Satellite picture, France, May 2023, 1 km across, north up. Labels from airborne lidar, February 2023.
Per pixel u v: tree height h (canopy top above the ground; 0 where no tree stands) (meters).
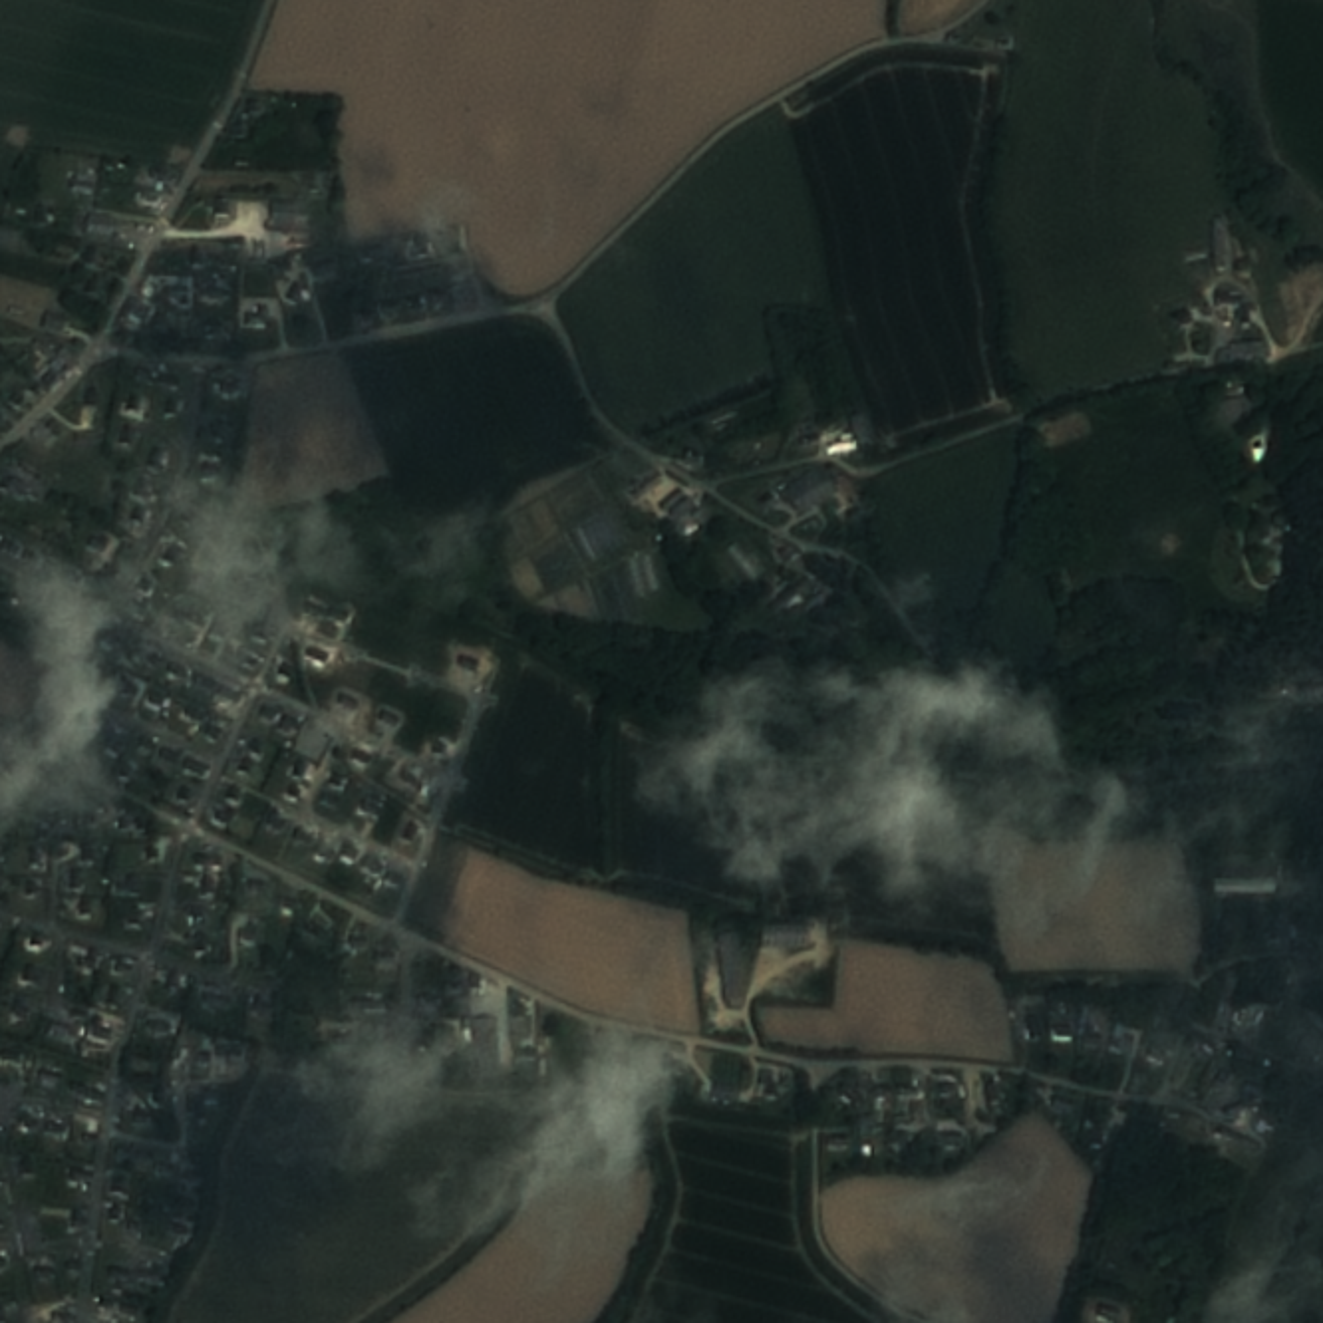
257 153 0
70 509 12
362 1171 0
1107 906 0
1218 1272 13
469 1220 0
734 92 0
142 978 0
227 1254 0
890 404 0
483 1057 0
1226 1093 0
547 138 0
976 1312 0
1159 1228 6
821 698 15
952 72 0
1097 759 10
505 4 0
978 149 0
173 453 0
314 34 0
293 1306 0
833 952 0
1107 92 0
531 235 0
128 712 0
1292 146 0
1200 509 0
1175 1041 0
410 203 0
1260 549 12
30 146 0
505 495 0
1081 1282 15
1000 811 19
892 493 0
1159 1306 0
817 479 0
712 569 0
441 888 0
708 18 0
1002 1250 0
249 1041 7
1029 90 0
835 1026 0
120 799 9
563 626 14
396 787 0
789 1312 0
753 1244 0
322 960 6
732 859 0
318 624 0
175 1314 0
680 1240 0
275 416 0
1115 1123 0
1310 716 6
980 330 0
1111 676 23
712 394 0
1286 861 0
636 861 0
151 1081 7
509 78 0
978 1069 0
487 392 0
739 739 12
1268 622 10
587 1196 0
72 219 0
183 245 0
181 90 0
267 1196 0
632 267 0
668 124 0
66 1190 0
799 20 0
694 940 0
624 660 9
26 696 0
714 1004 0
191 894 0
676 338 0
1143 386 11
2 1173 0
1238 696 17
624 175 0
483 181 0
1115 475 0
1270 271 0
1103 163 0
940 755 19
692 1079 0
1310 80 0
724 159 0
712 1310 0
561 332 0
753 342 0
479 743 0
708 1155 0
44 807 0
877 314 0
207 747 0
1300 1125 0
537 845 0
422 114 0
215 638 0
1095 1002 8
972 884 0
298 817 0
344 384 0
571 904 0
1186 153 0
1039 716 16
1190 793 20
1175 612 16
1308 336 0
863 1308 0
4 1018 0
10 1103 0
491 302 0
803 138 0
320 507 0
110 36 0
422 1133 0
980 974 0
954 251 0
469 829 0
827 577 21
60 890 0
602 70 0
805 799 0
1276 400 11
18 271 0
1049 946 0
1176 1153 14
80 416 0
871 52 0
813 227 0
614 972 0
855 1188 0
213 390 0
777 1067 0
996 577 10
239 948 0
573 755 0
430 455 0
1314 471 27
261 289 0
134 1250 0
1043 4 0
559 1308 0
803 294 0
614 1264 0
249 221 0
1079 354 0
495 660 0
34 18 0
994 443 0
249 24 0
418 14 0
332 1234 0
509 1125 0
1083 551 17
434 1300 0
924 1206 0
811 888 0
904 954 0
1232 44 0
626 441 0
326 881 0
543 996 0
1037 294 0
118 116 0
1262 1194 0
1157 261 0
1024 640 0
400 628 0
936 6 0
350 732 0
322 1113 0
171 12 0
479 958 0
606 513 0
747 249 0
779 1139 0
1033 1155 0
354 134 0
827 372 6
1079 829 15
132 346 16
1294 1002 11
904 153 0
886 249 0
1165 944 0
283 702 0
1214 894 6
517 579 0
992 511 0
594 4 0
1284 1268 10
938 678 7
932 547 0
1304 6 0
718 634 14
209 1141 0
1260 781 19
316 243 0
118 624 0
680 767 0
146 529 0
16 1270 0
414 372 0
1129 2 0
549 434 0
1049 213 0
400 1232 0
